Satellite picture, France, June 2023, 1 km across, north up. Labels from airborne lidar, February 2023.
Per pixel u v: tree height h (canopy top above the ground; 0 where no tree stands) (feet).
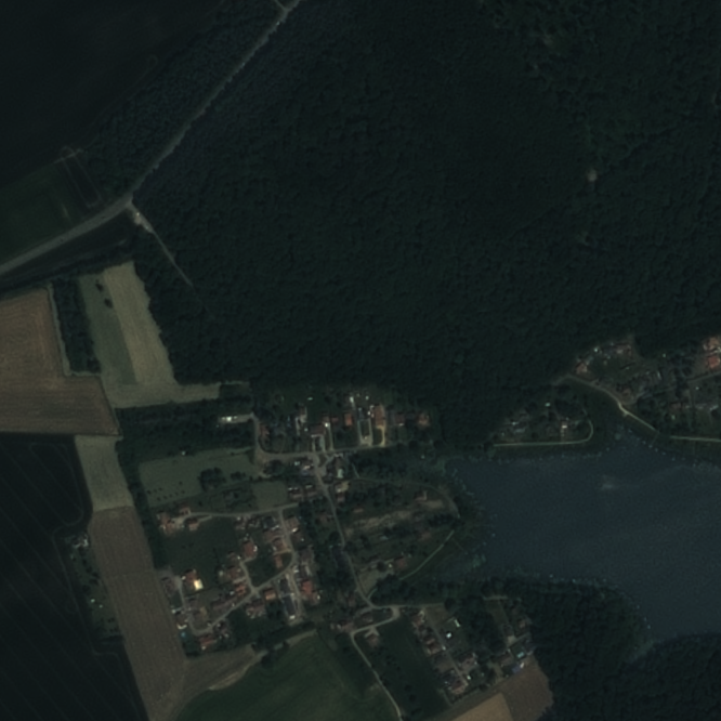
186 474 0
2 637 0
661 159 76
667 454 0
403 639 0
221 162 73
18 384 0
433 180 73
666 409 22
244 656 0
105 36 0
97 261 50
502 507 0
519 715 0
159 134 59
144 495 36
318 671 0
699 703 100
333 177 94
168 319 52
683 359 38
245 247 75
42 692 0
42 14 0
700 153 80
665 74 89
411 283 74
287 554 0
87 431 0
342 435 51
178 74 47
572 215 69
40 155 0
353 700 0
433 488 0
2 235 0
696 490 0
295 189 83
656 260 86
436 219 72
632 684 85
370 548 60
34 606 0
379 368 73
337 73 91
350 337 68
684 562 0
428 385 67
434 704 0
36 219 0
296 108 81
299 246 81
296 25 51
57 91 0
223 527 0
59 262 0
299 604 0
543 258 65
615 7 82
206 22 0
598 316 77
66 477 0
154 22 0
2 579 0
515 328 76
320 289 73
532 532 0
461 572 0
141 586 0
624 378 0
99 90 0
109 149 45
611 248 88
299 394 0
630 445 0
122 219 0
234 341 81
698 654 88
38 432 0
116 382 0
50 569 0
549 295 72
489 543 0
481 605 52
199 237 83
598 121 86
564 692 66
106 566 0
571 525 0
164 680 0
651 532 0
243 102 78
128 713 0
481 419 75
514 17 0
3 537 0
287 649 20
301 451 0
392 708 0
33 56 0
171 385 0
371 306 73
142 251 48
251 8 56
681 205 68
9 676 0
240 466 0
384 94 87
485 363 84
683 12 62
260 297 78
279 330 89
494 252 67
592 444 0
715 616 0
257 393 45
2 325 0
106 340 0
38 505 0
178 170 58
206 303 63
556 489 0
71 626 0
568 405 38
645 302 74
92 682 0
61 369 0
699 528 0
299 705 0
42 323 0
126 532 0
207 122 66
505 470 0
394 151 90
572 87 74
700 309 67
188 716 0
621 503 0
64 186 0
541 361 74
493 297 82
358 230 67
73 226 0
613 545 0
